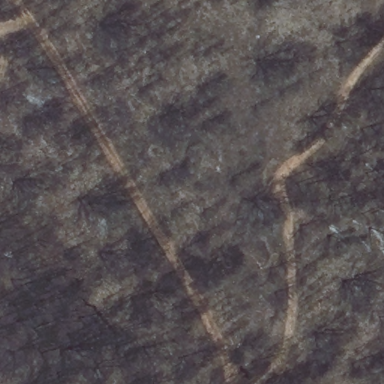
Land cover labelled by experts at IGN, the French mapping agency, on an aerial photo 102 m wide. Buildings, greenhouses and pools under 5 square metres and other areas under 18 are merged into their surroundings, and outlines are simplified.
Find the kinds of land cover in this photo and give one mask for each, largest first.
<instances>
[{"label":"coniferous trees","instance_id":"1","mask_svg":"<svg viewBox=\"0 0 384 384\"><path fill-rule=\"evenodd\" d=\"M324 73L321 67H316L315 61H301L289 78L277 79L276 82L250 78L249 73L243 78H235L234 85L225 97L214 103L211 108L199 112L198 117L190 121V126H198L211 115L220 114L225 109L231 111L228 120L216 124L213 132H207L202 136L201 144L184 153V156L190 159V175L186 180L193 184V189L205 192L222 190V198L217 199L210 207L202 208L199 213V231L207 232L210 246H222L223 243L237 244L244 255L243 264L237 273L220 280L219 285L214 288L207 289L202 294L193 289L192 294H187L183 280L175 273L172 262L166 258L165 250L157 241L156 235L144 237L136 226L127 229L126 234L120 228L109 231L106 228L105 217L111 214V211L120 210L133 199L126 187L127 181L118 172L115 171L112 174H103L100 183L70 199L66 196V189L57 192L46 190L40 196L34 192H25L24 187H36V184L45 183L39 175L30 177V171L25 169L27 172L24 177L15 178L9 195L0 199V384H384V64L375 58L361 73L346 99L345 109H340L336 100H324L318 108L313 109L312 114L300 118V123H309L307 135L297 139L294 144L295 150L300 153L309 148L316 139H324L322 147L310 154L285 177L289 205L294 208L303 210L310 216V220L298 223V228L292 231L294 247L286 250L283 225L273 223L270 226L258 225L252 228L253 220L264 219V216L249 202L241 201L240 193L243 190L250 192L253 184L262 181V166L268 162L265 136L268 132L264 130L265 124L276 126L282 120L292 121V115L285 114V97L297 93L301 85L315 81ZM288 300L297 303V318L291 336H285ZM216 306H222L220 312L223 319L231 324V328L226 330L219 340H213L202 321V313L213 310Z\"/></svg>","mask_w":384,"mask_h":384},{"label":"bare soil","instance_id":"2","mask_svg":"<svg viewBox=\"0 0 384 384\"><path fill-rule=\"evenodd\" d=\"M24 12H31L36 18L21 30L0 36V199L9 195L15 178L24 177L27 172L25 169L30 171V177L39 175L45 183L36 184V187H24L25 192H34L40 196L46 190L57 192L66 189V196L70 199L100 183L103 174H112L115 171L100 147L112 141L115 151L123 160V166L118 172L127 181L126 187L133 199L120 210L111 211V214L105 217L106 228L109 231L120 228L126 234L127 229L136 226L144 237L156 235L157 241L165 250L166 258L172 262L175 273L183 280L187 294H192L193 289L202 294L207 289L214 288L219 285L220 280L237 273L243 264L244 255L237 244L223 243L222 246H210L207 232L199 231V213L202 208L210 207L217 199L222 198V190L205 192L193 189V184L186 180L190 175V159L184 156V153L201 144L202 136L207 132H213L216 124L228 120L231 111L225 109L220 114L211 115L198 126H190V121L198 117L199 112L211 108L214 103L225 97L234 85L235 78H243L249 73L250 78L276 82L277 79L289 78L301 61H315L316 67H321L324 73L315 81L301 85L297 93L285 97V114L292 115V121L282 120L276 126L265 124L264 130L268 132L265 136L268 162L262 166V181L253 184L250 192L243 190L240 193L241 201L249 202L264 216V219L253 220L252 228L258 225L270 226L273 223L283 225L286 216L294 208L289 205L285 177L276 178L277 169L283 162L300 153L295 150L294 144L297 139L307 135L309 123H300V118L312 114L313 109L318 108L324 100H336L340 109H345L346 99L339 96L340 85L369 54L370 49L384 37V0H0V22L16 18Z\"/></svg>","mask_w":384,"mask_h":384},{"label":"pervious surface","instance_id":"3","mask_svg":"<svg viewBox=\"0 0 384 384\"><path fill-rule=\"evenodd\" d=\"M36 18L31 12H24L16 18L0 22V36L21 30ZM375 58L384 64V37L370 49L369 54L340 85L339 96L346 99L361 73ZM324 139H316L309 148L300 153L283 162L277 169L276 178L285 177L310 154L322 147ZM100 147L115 171L118 172L123 166V160L115 151L112 141ZM310 220V216L303 210L294 208L286 216L283 225L286 250L294 247L292 231L298 228V223ZM297 318V303L288 300L285 336H291ZM222 306H216L213 310L202 313V321L213 340H219L226 330L231 328V324L223 319L220 312Z\"/></svg>","mask_w":384,"mask_h":384}]
</instances>
